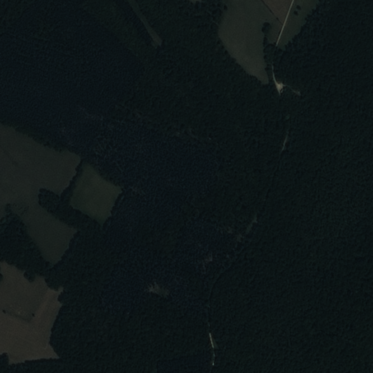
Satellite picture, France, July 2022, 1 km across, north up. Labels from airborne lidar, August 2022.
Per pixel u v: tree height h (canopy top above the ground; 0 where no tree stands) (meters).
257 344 15
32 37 16
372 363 21
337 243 13
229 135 16
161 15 11
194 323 16
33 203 0
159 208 22
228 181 17
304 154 18
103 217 0
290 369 17
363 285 20
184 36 12
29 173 0
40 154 0
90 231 17
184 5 14
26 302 0
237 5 0
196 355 20
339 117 15
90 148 19
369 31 21
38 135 15
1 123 9
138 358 14
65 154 0
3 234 17
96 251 20
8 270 0
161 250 22
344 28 21
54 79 14
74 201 0
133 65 11
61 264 16
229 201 19
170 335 13
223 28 0
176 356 13
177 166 25
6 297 0
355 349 16
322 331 16
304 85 13
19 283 0
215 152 21
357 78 20
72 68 14
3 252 17
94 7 12
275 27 0
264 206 17
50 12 9
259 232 20
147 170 28
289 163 20
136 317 21
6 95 18
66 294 18
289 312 12
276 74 11
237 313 16
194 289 21
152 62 18
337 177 11
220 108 18
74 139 18
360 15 20
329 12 20
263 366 14
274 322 12
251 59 0
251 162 18
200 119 21
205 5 17
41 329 0
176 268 21
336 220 8
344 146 12
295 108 16
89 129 21
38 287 0
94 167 11
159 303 19
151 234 18
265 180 20
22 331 0
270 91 16
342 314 19
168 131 21
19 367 16
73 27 13
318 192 11
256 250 22
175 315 18
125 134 27
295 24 0
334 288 14
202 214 16
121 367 12
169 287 23
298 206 16
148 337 17
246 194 16
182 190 25
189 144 29
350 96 15
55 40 11
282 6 0
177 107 14
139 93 18
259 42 0
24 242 22
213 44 13
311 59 24
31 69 13
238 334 18
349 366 15
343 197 14
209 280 14
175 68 19
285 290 18
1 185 0
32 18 13
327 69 19
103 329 21
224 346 13
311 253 17
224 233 13
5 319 0
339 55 20
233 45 0
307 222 14
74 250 17
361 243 19
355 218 13
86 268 18
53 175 0
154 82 15
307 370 19
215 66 11
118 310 20
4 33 21
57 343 19
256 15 0
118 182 10
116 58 13
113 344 19
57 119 19
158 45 0
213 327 12
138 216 16
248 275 19
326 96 17
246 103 20
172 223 19
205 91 22
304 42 15
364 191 15
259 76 0
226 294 17
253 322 12
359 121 14
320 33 22
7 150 0
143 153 28
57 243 0
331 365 16
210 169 28
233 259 16
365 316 17
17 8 17
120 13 10
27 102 20
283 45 0
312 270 13
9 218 11
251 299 15
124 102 14
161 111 20
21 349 0
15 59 19
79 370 16
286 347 12
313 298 14
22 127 14
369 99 18
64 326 18
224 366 20
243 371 10
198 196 19
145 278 26
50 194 16
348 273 23
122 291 24
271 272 17
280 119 12
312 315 19
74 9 10
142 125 25
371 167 18
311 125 17
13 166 0
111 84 17
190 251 12
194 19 18
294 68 19
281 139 16
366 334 14
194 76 19
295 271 17
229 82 15
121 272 23
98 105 13
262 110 14
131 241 21
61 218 16
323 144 19
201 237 17
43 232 0
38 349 0
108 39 14
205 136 22
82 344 18
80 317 23
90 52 17
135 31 12
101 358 16
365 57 19
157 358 14
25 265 17
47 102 16
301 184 17
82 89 17
